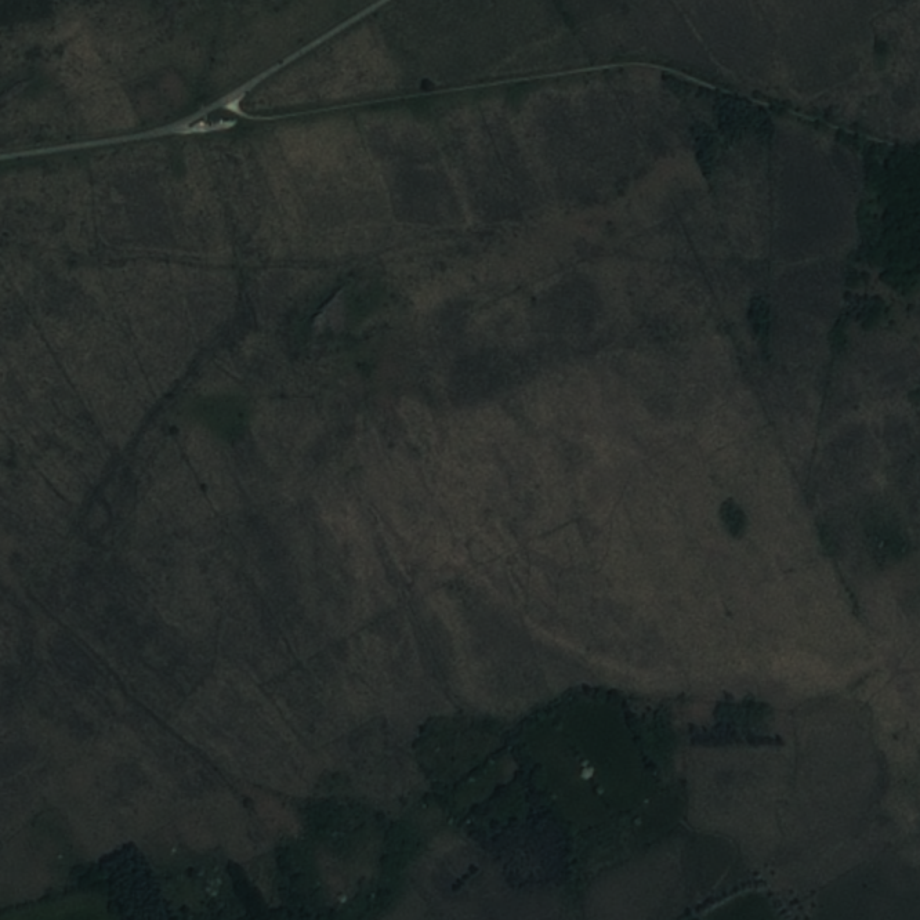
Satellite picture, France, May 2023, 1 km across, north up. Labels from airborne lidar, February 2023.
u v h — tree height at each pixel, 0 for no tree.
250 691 0
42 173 0
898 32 0
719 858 0
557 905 0
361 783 0
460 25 0
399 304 0
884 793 0
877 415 0
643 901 0
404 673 0
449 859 0
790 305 0
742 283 0
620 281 0
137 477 0
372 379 0
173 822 0
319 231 0
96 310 0
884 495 0
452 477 0
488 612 0
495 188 0
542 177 0
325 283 0
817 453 0
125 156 0
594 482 0
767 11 0
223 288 0
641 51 0
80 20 0
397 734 0
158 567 0
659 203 0
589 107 0
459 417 0
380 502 0
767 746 8
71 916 0
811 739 0
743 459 0
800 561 0
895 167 13
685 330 0
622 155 0
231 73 0
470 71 0
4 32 0
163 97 0
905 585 0
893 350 0
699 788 0
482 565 0
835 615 0
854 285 8
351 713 0
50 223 0
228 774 0
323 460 0
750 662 0
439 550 0
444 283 0
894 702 0
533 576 0
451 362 0
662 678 0
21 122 0
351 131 0
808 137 0
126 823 0
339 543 0
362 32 0
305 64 0
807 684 0
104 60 0
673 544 0
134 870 12
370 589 0
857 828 0
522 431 0
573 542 0
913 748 0
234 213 0
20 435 0
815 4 0
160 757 0
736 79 0
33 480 0
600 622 0
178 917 6
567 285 0
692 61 0
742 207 0
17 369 0
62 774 0
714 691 0
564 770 0
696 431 0
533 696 0
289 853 7
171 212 0
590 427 0
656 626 0
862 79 0
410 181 0
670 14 0
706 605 0
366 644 0
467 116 0
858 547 0
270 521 0
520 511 0
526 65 0
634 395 0
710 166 10
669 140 0
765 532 0
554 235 0
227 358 0
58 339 0
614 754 0
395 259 0
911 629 0
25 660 0
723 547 0
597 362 0
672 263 0
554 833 13
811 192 0
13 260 0
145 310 0
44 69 0
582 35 0
